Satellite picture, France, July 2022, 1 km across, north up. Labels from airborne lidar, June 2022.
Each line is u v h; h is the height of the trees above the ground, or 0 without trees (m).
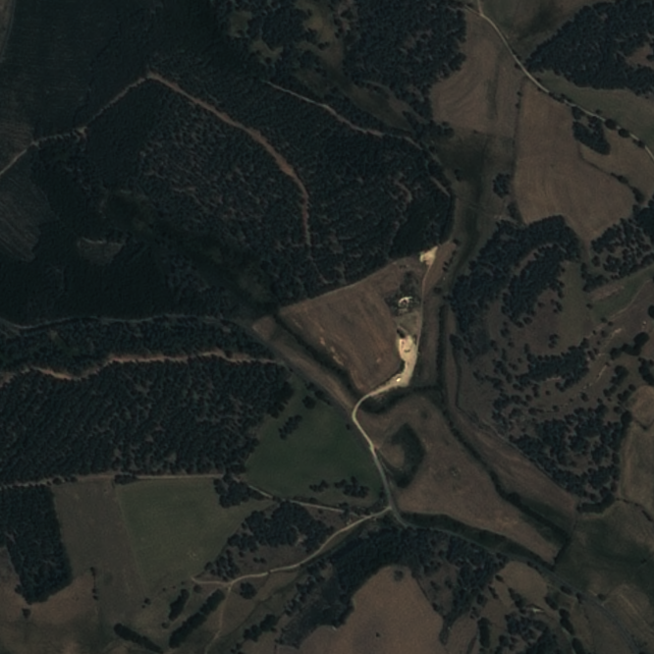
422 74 15
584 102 0
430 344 0
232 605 0
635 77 16
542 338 0
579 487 21
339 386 0
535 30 0
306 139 20
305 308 0
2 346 27
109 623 0
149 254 14
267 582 0
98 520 0
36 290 11
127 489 0
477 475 0
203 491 0
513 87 0
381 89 18
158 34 12
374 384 0
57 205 13
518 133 0
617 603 0
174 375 10
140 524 0
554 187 0
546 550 0
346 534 0
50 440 17
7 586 0
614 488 10
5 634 0
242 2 20
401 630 0
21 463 15
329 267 14
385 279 0
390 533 21
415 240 15
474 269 17
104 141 14
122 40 12
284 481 0
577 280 0
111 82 14
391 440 0
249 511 0
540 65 16
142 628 0
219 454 16
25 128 0
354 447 0
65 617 0
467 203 0
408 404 0
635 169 0
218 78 15
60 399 14
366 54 17
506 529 0
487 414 0
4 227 0
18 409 16
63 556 25
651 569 0
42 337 28
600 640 0
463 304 19
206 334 28
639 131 0
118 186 20
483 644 16
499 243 18
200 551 0
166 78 16
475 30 0
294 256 16
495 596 15
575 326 0
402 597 0
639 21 14
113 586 0
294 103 21
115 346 29
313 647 0
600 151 17
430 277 0
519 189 0
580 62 13
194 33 8
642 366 8
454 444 0
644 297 0
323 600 0
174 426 16
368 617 0
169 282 12
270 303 7
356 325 0
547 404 0
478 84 0
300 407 0
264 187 15
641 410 0
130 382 13
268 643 0
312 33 17
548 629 14
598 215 0
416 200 16
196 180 20
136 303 9
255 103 15
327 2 0
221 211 18
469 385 0
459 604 18
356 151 17
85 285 13
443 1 14
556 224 14
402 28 22
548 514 0
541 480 0
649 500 0
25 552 18
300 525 15
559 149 0
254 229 15
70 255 10
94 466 13
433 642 0
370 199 17
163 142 19
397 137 15
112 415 14
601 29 8
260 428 0
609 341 0
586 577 0
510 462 0
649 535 0
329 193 13
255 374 17
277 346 0
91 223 15
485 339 0
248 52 20
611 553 0
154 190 23
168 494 0
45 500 13
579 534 0
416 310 0
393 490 0
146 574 0
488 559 22
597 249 13
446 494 0
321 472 0
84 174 15
